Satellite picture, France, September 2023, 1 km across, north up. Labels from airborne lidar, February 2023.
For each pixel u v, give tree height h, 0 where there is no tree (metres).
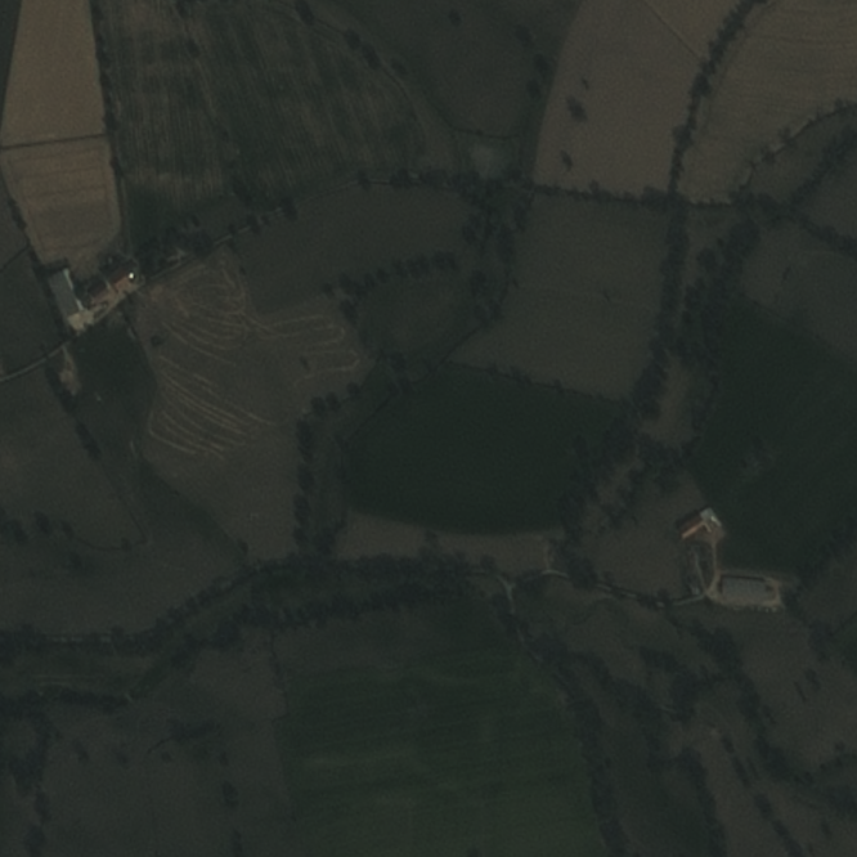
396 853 0
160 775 0
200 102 0
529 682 0
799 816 0
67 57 0
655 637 0
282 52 0
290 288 0
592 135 0
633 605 0
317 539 0
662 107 0
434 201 0
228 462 0
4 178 0
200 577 0
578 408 0
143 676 0
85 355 0
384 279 13
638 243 0
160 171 0
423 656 0
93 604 0
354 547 0
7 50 0
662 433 0
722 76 0
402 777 0
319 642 0
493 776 0
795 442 0
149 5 0
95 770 0
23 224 12
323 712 0
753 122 0
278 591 0
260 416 0
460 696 0
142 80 0
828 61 0
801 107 0
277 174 0
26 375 0
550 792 0
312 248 0
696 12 0
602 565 0
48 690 0
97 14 13
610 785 0
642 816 0
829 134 0
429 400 0
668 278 14
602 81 0
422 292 0
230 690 0
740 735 0
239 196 8
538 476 0
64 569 0
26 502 0
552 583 0
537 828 0
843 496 0
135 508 0
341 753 0
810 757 0
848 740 0
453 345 0
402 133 0
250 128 0
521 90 0
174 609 0
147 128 0
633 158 0
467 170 0
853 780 0
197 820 0
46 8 0
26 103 0
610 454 23
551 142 0
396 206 0
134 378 0
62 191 0
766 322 0
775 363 0
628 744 0
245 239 0
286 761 0
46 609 0
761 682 0
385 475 0
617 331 0
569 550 11
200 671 0
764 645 0
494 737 0
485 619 0
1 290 0
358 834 0
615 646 0
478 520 0
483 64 0
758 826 0
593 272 0
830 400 0
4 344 0
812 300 0
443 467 0
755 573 0
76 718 0
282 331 0
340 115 0
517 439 0
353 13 0
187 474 0
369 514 0
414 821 0
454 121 0
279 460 0
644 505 0
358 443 0
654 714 23
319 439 0
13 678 0
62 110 0
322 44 0
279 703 0
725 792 0
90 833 0
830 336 0
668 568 0
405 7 0
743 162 0
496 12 0
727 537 0
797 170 0
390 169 0
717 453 0
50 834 0
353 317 14
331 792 0
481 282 14
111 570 0
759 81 0
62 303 0
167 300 0
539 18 0
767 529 0
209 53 0
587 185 0
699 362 18
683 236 17
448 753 0
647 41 0
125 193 0
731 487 0
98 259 0
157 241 6
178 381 0
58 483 0
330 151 0
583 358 0
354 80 0
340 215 0
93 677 0
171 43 0
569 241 0
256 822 0
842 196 0
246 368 0
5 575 0
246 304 0
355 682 0
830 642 16
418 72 0
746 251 18
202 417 0
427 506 0
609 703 0
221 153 0
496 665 0
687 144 10
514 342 0
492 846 0
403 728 0
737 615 0
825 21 0
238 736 0
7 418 0
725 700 0
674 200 13
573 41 0
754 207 12
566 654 19
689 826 0
